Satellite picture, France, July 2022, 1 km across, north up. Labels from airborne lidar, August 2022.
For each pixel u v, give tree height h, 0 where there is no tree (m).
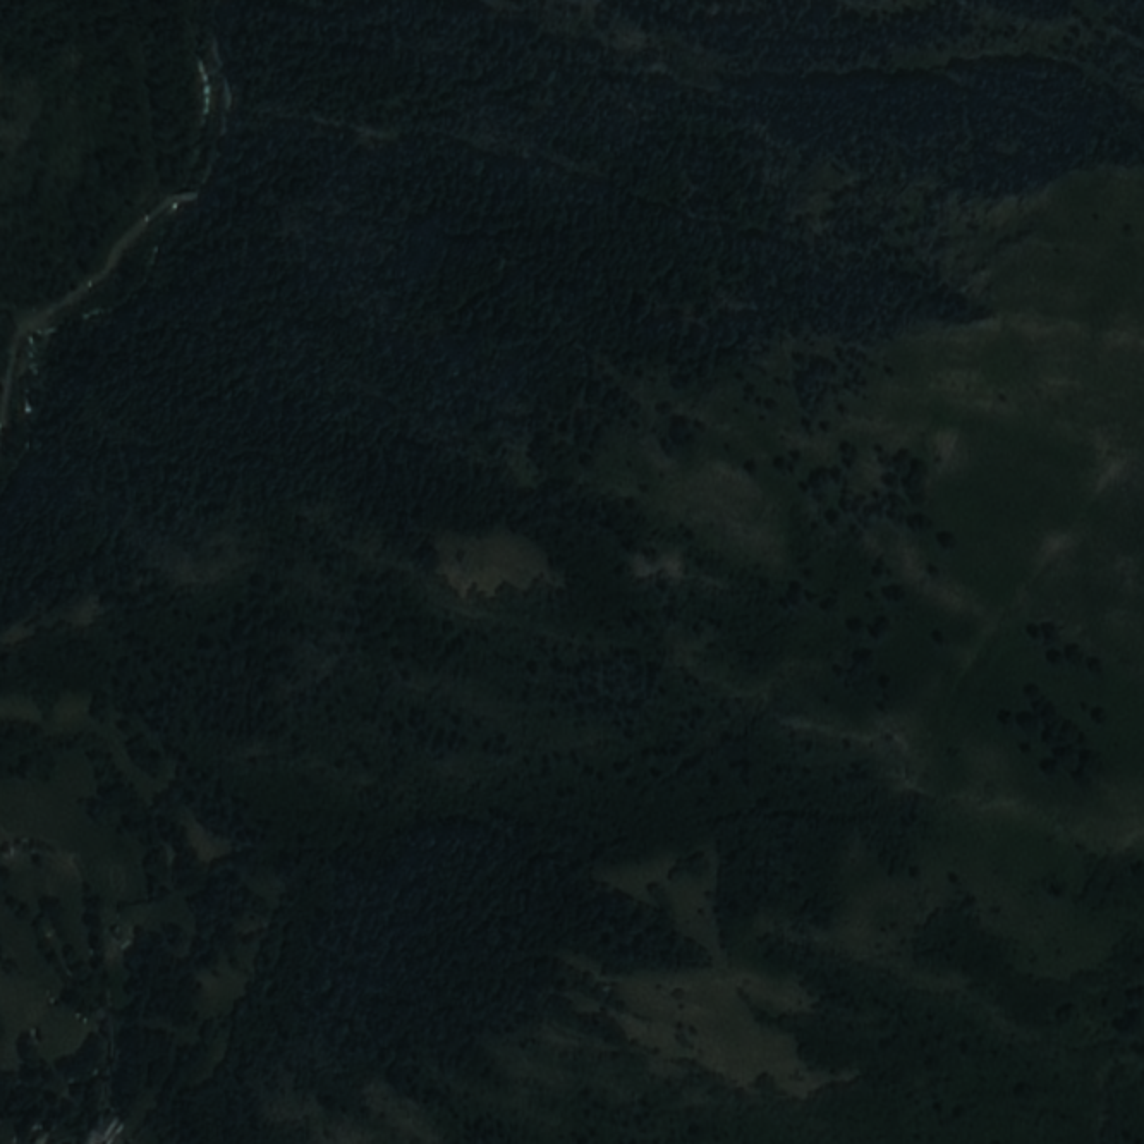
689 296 19
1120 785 0
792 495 0
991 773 0
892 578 10
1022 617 0
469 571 0
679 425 14
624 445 0
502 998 17
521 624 7
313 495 10
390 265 12
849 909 0
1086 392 0
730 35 11
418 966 27
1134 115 7
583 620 7
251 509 13
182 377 19
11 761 10
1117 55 10
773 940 7
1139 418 0
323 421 14
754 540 0
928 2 0
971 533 0
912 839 6
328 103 18
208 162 7
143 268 9
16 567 17
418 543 12
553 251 29
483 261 23
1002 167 13
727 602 7
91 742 9
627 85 12
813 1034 12
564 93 13
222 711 19
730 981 0
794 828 16
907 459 11
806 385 19
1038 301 0
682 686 7
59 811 0
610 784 9
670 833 7
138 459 15
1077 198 0
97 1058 17
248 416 16
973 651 0
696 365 13
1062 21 0
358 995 17
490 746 14
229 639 7
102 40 17
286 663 19
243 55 11
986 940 6
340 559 16
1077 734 10
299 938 7
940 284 13
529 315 17
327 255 8
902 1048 9
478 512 24
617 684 17
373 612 17
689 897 0
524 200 17
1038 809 0
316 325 16
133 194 9
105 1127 0
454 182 17
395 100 15
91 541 17
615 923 25
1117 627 0
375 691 7
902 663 0
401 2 16
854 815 7
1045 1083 9
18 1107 13
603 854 22
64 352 18
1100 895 9
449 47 19
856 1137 7
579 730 8
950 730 0
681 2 20
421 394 16
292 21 23
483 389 15
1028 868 0
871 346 7
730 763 14
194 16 12
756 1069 0
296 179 16
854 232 13
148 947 12
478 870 21
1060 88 17
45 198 27
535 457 13
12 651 6
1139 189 0
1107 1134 9
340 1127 0
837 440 0
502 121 9
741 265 12
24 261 18
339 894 7
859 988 8
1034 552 0
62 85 24
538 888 24
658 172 23
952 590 0
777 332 6
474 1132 12
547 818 13
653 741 10
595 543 13
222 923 7
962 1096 6
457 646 14
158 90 17
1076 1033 7
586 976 6
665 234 16
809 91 17
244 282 28
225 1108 6
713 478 0
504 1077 7
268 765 6
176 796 12
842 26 14
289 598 9
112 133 16
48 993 0
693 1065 6
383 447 14
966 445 0
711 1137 11
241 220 24
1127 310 0
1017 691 0
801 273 7
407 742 8
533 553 0
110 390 20
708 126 14
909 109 20
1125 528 0
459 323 14
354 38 20
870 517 13
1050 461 0
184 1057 12
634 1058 6
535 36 18
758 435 0
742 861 8
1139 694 0
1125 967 8
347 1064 11
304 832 11
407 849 7
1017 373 0
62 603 13
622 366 15
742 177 11
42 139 15
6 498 13
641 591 8
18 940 0
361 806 7
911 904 0
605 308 22
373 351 22
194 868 10
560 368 16
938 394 0
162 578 8
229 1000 0
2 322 7
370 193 27
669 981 0
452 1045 13
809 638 0
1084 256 0
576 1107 8
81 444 18
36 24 13
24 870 0
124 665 17
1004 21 0
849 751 13
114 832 9
